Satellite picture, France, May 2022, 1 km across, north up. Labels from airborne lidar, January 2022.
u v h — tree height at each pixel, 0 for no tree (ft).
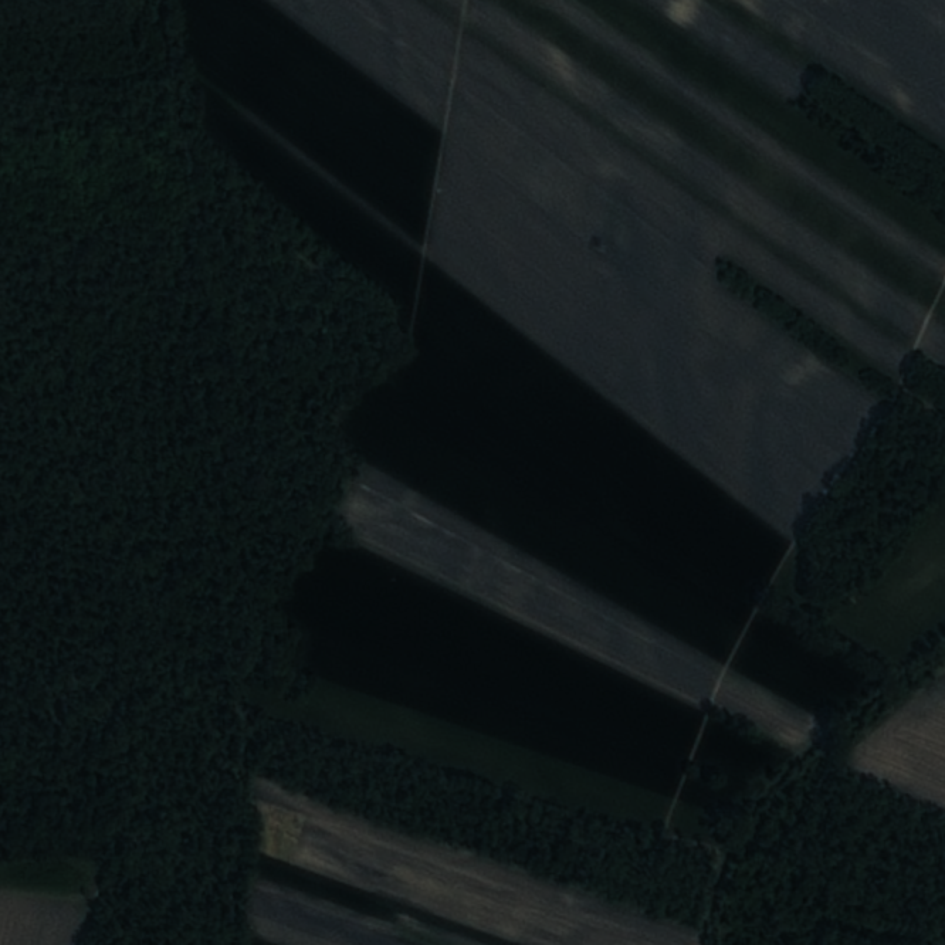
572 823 54
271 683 64
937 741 0
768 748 0
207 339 71
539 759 0
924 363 61
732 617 0
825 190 0
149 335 68
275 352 66
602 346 0
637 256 0
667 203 0
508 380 0
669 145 0
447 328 0
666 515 0
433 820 64
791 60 0
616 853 83
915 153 74
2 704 89
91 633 33
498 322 0
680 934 0
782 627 0
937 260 0
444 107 0
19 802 73
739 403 0
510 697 0
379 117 0
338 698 0
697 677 0
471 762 0
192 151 60
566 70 0
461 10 0
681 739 0
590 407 0
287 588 63
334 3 0
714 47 0
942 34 0
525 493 0
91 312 61
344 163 0
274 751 68
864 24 0
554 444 0
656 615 0
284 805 0
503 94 0
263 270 67
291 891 0
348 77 0
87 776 62
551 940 0
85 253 71
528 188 0
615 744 0
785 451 0
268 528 74
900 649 0
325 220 0
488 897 0
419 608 0
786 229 0
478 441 0
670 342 0
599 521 0
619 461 0
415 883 0
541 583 0
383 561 0
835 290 0
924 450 74
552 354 0
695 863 85
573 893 0
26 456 59
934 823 75
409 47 0
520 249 0
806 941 25
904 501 28
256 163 0
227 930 83
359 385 64
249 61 0
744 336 0
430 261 0
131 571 72
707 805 0
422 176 0
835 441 0
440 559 0
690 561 0
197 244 70
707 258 0
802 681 0
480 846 73
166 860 84
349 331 82
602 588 0
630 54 0
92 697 85
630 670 0
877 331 0
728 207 0
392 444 0
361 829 0
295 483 70
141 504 70
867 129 69
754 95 0
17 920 0
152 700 78
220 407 68
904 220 0
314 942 0
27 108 64
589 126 0
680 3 0
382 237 0
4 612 73
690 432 0
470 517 0
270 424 73
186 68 71
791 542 0
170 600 75
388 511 0
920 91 0
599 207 0
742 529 0
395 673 0
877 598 0
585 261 0
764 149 0
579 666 0
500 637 0
